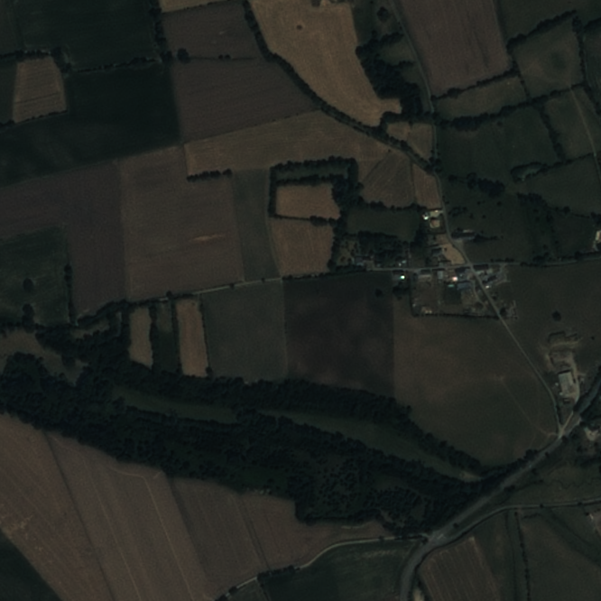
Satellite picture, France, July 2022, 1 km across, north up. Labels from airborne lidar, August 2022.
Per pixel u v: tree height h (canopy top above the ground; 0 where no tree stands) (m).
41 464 0
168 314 0
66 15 0
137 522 0
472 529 0
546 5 0
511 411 0
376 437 0
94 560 0
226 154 0
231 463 14
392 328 0
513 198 0
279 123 0
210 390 15
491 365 0
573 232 0
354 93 0
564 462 0
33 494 0
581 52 9
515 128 0
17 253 0
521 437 0
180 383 9
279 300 0
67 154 0
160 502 0
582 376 0
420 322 0
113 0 0
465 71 0
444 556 0
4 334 16
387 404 10
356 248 8
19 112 0
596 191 0
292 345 0
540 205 21
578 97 0
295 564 0
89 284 0
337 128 0
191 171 0
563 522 0
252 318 0
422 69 0
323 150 0
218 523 0
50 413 6
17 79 0
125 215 0
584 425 10
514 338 0
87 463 0
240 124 0
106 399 19
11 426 0
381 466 7
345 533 0
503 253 0
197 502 0
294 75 15
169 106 0
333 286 0
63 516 0
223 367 0
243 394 18
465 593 0
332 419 6
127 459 13
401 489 9
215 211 0
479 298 0
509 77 11
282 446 11
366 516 10
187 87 0
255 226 0
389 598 0
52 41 0
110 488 0
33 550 0
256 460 8
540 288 0
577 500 0
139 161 0
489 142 0
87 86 0
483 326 0
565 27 0
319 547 0
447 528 0
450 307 0
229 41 0
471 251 0
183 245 0
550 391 0
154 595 0
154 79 0
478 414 0
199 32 0
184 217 0
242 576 0
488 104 0
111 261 0
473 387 0
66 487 0
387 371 0
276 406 11
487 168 0
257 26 12
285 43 0
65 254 0
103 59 0
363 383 0
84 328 7
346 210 15
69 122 0
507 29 0
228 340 0
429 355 0
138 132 0
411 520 7
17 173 0
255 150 0
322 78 0
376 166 0
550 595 0
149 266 0
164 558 0
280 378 0
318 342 0
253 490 0
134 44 0
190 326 0
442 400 0
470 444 0
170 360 0
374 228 0
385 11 13
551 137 8
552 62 0
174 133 0
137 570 0
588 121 0
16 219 0
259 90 0
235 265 0
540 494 0
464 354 0
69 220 0
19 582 0
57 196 0
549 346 0
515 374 0
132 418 9
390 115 14
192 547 0
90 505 0
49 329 7
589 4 0
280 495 0
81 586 0
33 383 23
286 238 0
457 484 13
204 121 0
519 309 0
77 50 0
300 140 0
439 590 0
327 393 8
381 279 0
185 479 0
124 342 17
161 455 16
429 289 0
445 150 0
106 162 0
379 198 0
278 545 0
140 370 20
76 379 0
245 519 0
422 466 22
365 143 0
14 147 0
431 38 0
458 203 0
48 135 0
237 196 0
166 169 0
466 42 0
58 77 0
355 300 0
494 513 0
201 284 0
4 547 0
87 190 0
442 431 0
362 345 0
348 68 0
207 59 0
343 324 0
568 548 0
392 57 0
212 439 12
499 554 0
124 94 0
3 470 0
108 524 0
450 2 0
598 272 0
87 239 0
